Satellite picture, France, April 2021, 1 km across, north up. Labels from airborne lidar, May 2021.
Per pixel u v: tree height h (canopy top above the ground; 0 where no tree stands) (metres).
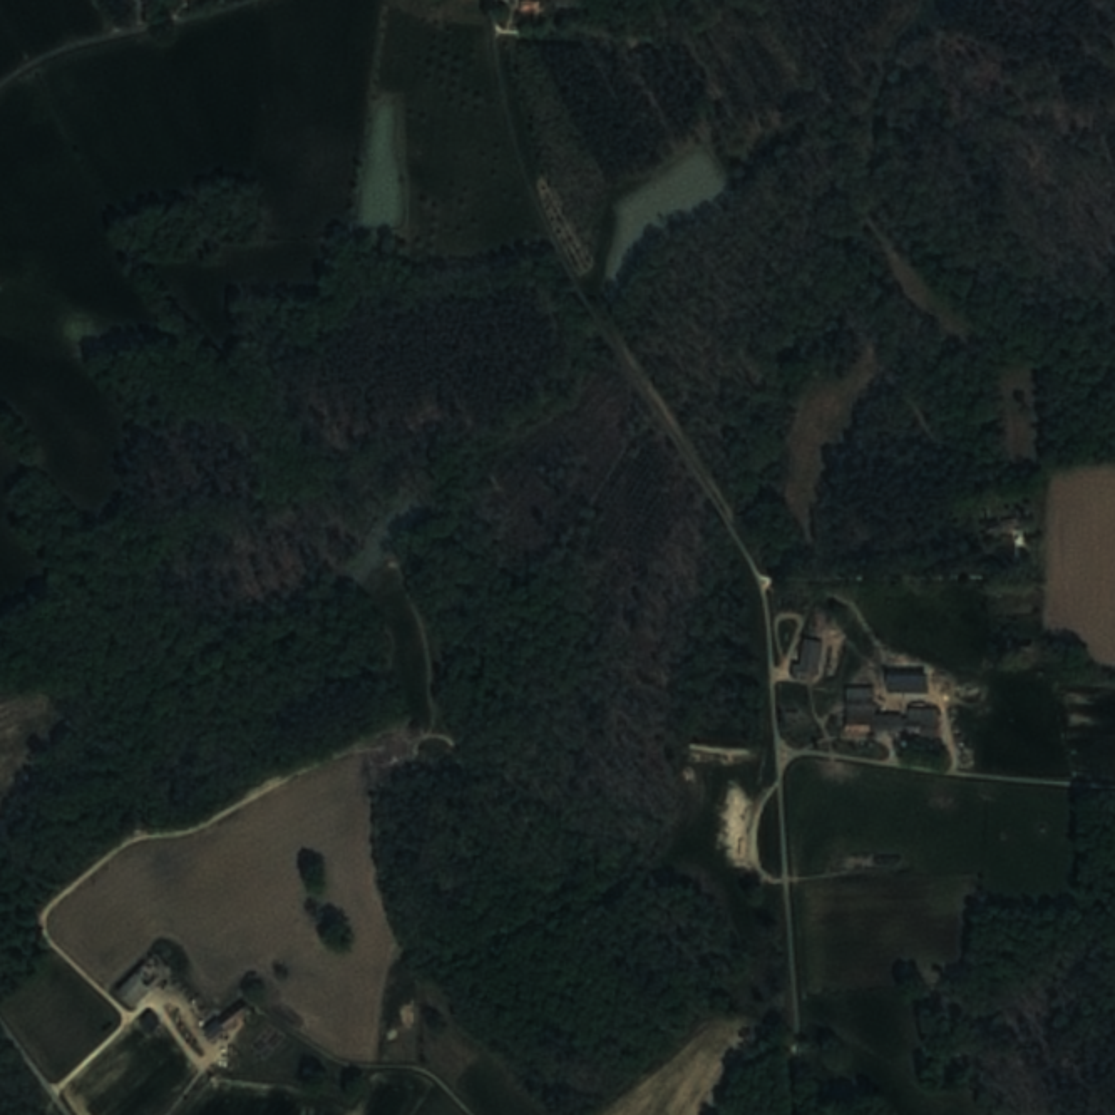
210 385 18
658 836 14
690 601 21
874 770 0
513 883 21
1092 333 25
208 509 22
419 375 24
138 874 0
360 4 0
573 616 17
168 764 19
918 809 0
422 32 0
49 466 0
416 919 21
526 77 12
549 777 15
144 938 0
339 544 24
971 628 0
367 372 23
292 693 18
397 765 0
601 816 18
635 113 16
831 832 0
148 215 19
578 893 27
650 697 11
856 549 12
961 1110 0
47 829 29
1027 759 0
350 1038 0
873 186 25
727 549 20
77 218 0
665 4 16
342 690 18
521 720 18
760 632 0
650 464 6
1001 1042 24
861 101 19
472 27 0
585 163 14
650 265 23
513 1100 0
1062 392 24
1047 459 19
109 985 0
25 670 27
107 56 0
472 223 7
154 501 27
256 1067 0
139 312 0
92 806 25
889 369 20
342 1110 0
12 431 20
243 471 26
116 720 22
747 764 0
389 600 0
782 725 7
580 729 19
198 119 0
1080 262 15
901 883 0
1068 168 23
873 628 0
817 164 21
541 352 23
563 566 13
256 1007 10
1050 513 0
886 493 28
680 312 18
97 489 0
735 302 16
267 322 15
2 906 23
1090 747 0
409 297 22
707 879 0
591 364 15
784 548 13
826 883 0
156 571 17
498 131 0
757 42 9
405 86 0
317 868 21
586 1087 9
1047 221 21
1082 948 18
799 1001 0
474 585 8
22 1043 0
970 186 20
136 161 0
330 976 0
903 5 13
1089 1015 21
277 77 0
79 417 0
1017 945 20
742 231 22
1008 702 0
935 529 27
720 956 8
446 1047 0
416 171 0
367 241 17
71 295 0
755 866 0
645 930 16
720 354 17
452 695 17
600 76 18
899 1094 0
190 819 16
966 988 23
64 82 0
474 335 23
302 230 0
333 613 25
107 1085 0
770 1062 23
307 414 25
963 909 0
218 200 16
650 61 20
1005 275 20
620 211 0
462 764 11
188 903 0
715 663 22
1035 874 0
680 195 0
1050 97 16
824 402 0
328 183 0
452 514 18
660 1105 0
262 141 0
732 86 10
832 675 0
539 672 13
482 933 28
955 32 20
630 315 22
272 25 0
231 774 14
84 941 0
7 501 9
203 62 0
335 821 0
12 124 0
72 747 20
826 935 0
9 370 0
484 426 21
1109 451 22
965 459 25
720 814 0
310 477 27
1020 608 0
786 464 16
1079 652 20
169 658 19
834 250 29
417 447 21
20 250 0
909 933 0
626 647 10
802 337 8
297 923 0
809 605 0
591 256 7
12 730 0
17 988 14
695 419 19
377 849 15
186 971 0
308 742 19
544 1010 21
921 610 0
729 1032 0
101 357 25
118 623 26
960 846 0
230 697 24
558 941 23
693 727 27
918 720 0
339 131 0
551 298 27
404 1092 0
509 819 13
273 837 0
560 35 9
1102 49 16
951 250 17
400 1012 0
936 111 16
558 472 18
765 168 22
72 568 24
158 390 18
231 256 0
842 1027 0
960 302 22
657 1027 19
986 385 20
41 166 0
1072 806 9
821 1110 21
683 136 16
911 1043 0
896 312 22
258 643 20
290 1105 0
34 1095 16
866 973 0
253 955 0
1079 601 0
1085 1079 20
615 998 17
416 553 18
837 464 12
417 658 0
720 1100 11
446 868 16
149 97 0
